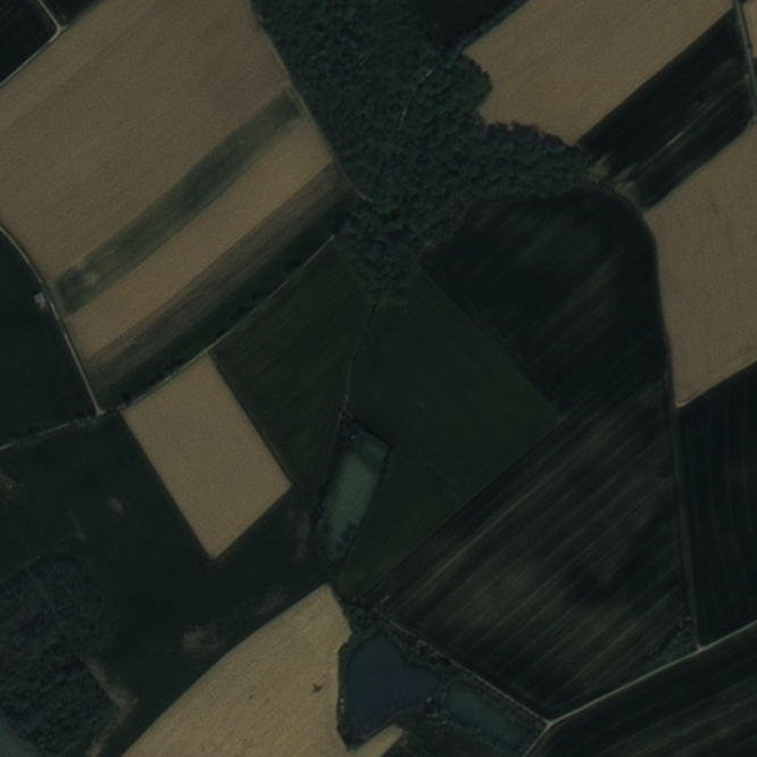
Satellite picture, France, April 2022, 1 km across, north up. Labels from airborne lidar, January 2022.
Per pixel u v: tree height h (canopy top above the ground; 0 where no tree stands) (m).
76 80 0
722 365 0
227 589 0
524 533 0
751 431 0
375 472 0
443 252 0
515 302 0
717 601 0
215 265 0
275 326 0
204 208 0
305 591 0
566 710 0
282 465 0
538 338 0
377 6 19
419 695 0
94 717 23
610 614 0
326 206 0
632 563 0
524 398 0
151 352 0
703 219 0
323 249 0
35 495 0
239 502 0
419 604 0
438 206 14
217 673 0
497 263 0
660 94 0
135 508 0
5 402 0
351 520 0
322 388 0
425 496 0
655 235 0
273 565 0
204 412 0
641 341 0
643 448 0
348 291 0
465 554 0
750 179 0
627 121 0
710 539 0
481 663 0
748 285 0
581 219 0
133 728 0
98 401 0
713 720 0
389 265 25
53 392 0
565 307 0
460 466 0
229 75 0
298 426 0
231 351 0
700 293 0
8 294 0
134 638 0
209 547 0
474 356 0
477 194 19
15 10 0
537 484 0
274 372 0
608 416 0
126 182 0
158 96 0
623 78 0
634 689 0
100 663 0
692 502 0
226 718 0
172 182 0
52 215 0
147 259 0
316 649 0
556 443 0
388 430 0
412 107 8
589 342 0
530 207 0
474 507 0
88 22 0
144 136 0
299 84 16
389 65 26
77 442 0
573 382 0
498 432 0
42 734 19
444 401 0
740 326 0
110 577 0
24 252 0
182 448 0
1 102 0
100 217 0
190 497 0
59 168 0
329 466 0
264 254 0
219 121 0
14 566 0
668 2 0
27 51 0
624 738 0
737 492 0
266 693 0
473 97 21
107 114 0
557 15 0
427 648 6
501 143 24
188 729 0
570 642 0
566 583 0
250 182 0
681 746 0
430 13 0
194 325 0
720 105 0
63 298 0
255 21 0
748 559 0
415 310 0
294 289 0
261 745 0
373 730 0
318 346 0
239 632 0
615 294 0
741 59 0
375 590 0
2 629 25
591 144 0
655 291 0
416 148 27
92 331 0
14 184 0
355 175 11
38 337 0
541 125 0
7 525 0
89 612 25
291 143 0
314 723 0
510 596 0
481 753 0
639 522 0
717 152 0
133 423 0
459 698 0
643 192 0
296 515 0
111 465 0
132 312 0
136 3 0
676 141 0
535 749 0
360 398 0
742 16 0
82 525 0
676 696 0
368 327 0
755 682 0
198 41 0
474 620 0
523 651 0
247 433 0
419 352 0
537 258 0
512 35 0
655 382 0
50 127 0
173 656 0
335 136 17
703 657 0
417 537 0
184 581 0
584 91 0
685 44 0
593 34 0
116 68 0
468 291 0
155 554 0
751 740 0
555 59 0
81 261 0
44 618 26
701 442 0
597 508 0
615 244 0
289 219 0
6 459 0
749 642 0
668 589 0
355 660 0
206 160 0
